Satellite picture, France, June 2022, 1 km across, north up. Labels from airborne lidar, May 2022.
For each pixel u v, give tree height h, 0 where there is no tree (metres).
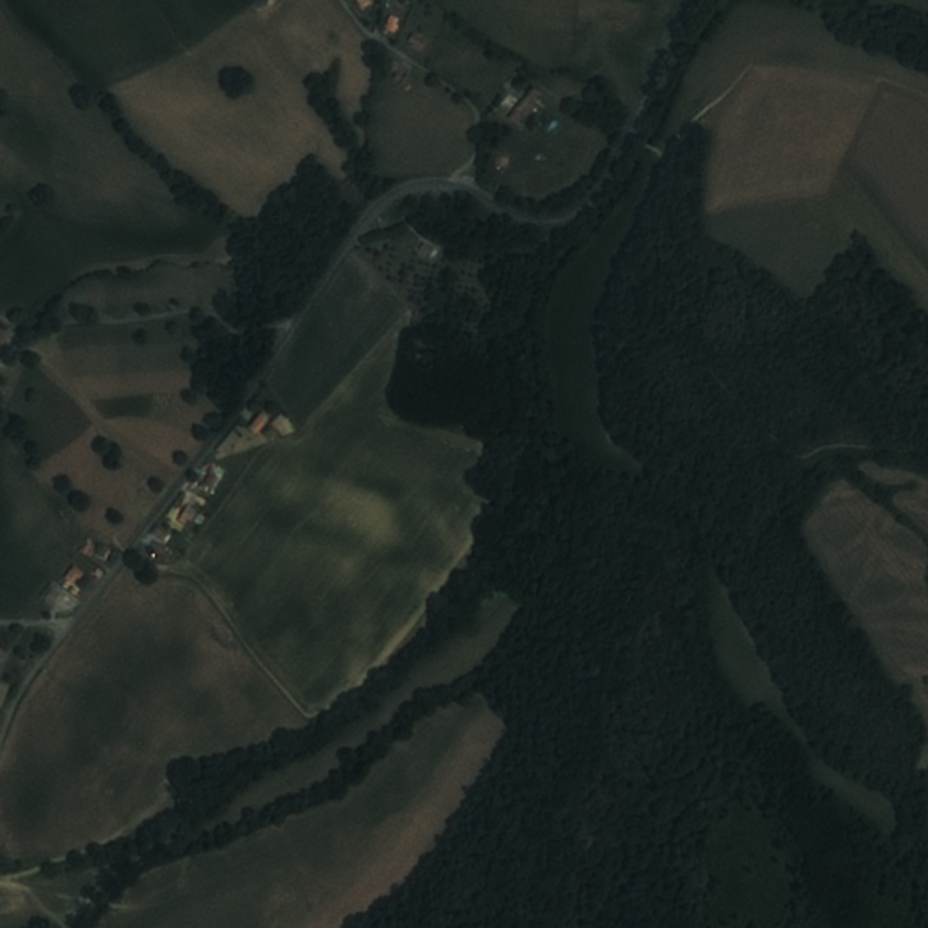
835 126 0
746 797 22
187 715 0
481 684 15
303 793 8
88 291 0
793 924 18
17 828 0
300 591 0
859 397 8
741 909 0
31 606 0
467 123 0
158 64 0
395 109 0
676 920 13
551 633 20
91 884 0
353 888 0
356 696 12
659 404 9
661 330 10
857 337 15
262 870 0
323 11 0
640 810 25
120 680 0
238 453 0
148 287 0
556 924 11
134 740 0
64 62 0
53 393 0
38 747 0
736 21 0
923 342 21
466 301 16
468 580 21
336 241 12
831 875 15
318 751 7
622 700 18
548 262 18
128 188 0
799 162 0
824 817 18
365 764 14
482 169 9
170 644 0
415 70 0
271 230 17
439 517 0
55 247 0
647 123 17
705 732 14
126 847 17
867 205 0
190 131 0
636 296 20
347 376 0
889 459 9
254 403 7
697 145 22
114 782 0
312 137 0
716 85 0
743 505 14
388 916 20
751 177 0
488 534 24
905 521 9
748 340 8
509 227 22
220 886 0
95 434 0
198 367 17
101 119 0
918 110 0
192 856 9
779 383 7
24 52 0
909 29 15
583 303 0
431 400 25
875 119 0
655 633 19
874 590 0
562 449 18
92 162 0
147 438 0
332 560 0
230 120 0
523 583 33
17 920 0
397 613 0
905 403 9
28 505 0
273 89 0
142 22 0
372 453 0
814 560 10
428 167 0
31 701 0
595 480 19
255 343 13
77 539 0
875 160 0
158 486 12
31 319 10
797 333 7
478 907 11
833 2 23
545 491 27
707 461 17
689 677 19
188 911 0
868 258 18
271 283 20
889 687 7
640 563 13
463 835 9
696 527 15
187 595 0
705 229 11
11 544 0
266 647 0
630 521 15
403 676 21
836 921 17
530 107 0
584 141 0
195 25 0
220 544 0
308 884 0
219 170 0
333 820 0
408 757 0
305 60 0
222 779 20
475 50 0
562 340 0
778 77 0
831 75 0
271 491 0
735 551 16
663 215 21
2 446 0
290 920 0
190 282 0
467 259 8
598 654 11
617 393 21
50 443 0
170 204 0
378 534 0
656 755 20
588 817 11
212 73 0
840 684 8
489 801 11
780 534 9
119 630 0
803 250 0
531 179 0
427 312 11
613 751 15
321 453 0
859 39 13
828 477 10
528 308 16
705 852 18
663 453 9
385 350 0
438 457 0
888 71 0
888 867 19
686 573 18
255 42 0
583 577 15
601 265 0
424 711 14
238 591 0
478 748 0
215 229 0
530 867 9
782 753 18
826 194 0
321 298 0
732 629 0
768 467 6
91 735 0
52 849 0
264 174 0
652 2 0
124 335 0
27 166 0
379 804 0
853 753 17
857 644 18
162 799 0
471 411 23
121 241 0
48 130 0
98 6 0
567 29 0
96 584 0
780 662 18
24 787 0
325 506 0
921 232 0
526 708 13
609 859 18
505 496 29
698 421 6
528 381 24
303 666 0
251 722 0
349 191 10
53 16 0
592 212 18
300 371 0
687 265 20
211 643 0
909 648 0
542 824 13
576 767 15
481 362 22
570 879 17
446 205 25
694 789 23
